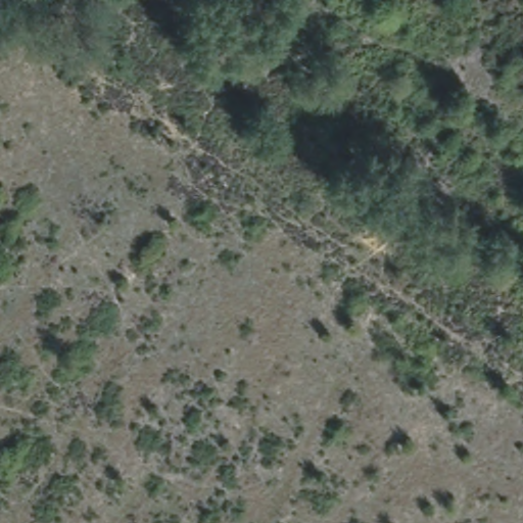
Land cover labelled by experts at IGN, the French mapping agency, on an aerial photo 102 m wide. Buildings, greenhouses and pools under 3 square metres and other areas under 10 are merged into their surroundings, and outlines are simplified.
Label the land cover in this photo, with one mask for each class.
<instances>
[{"label":"herbaceous vegetation","instance_id":"1","mask_svg":"<svg viewBox=\"0 0 523 523\"><path fill-rule=\"evenodd\" d=\"M131 110L135 116L133 121L127 118V112L108 110L96 121L84 112V104L78 90L65 86L49 63L29 61L18 63L12 57L0 59V225L12 223L18 217L20 200L27 194L33 196L37 192V196L43 202L41 212L33 217L31 223L25 227V247L12 251V257L25 255L20 274L12 276L10 284H0V351L8 347L18 353L25 366H35L27 392H4L0 388V417L31 419L33 415H41L39 427L53 443L47 464H43L39 470L20 472L16 482L0 488V523H39L33 517V505L43 496V486L51 474L78 476V488L82 492V498L72 492H65L61 505L51 503V509L59 511L61 523H198L196 505L206 501L215 488L225 492L229 501H245L243 515L231 523H523V413H519V409L509 405L505 398H501L498 392L486 380L464 374L462 370H458L456 364H445L439 355L431 360V364L437 370L435 388H425L419 394H409L400 390V386L392 382L390 360H372L374 341L370 337V327L378 315L374 306L368 308L366 315L358 317L347 329L341 327L335 319V306L341 298L343 286L333 280H321L323 255L333 253L331 247L313 251L304 245H296L292 243V237L288 233H284L282 227L270 229L259 243H253L251 239L243 237L239 217L227 210H219L215 221L210 223V229L219 231L223 237H204L184 219L186 198L182 194L174 196L168 190L170 178H176L186 188H192V176L186 168V155H202L200 143L194 141L188 133H182L168 114L155 112L151 96L143 90L131 96ZM161 237L165 239L163 262L149 274H145V278H139L133 272L131 264L139 262L143 257V251L155 239ZM104 298H108L118 313L116 325L112 327L110 335L96 337L92 372L84 380L74 382V386L69 388L61 384L57 378H53L51 370L55 368L59 355H67L69 351H76L80 347V341L76 339L80 319H86L90 308L98 306ZM106 380L123 388L121 427H110L108 423L100 427L94 425V402L100 400L102 384ZM198 382L210 386L217 392V396L229 398V407L217 405L215 415L221 419V431L231 445L239 447L241 439L247 435L249 429L268 427L272 431L262 439V443H251L247 464H237L235 488L223 484L217 476L219 470L212 466L208 468L202 480H192L184 474L170 472V468L163 462V454L141 451L135 447V435L129 429L131 423L151 427L153 431L157 429V425H163V433L180 435L184 431L186 425L182 421V415L184 409L192 405L194 396H184L178 400L176 392L192 390ZM353 241L366 245L374 255L386 253V243H380L378 237H366L364 233H355ZM27 435L20 431H12L4 439H0V458L6 449H14L20 441H25Z\"/></svg>","mask_w":523,"mask_h":523},{"label":"brushwood","instance_id":"2","mask_svg":"<svg viewBox=\"0 0 523 523\"><path fill-rule=\"evenodd\" d=\"M313 14L306 16L304 27L290 43L284 61L272 67L257 86L225 82L221 90L198 88L204 76H200L196 72V65L186 59L182 35L170 43L165 37L155 33L153 22L147 18L139 2H133L127 8H121L118 4L114 6V16L110 22V33L114 37L112 51L116 63L108 65L104 74L100 69H88V76L96 84H86L78 90L84 104V112L96 121L108 110L127 112V118L133 121L135 116L131 110V96L143 90L151 96L155 112L168 114L182 133H188L194 141L200 143L202 155H186V168L192 176V188H186L176 178H170L168 190L174 196L182 194L186 198L184 219L204 237H223L219 231L210 229V223L215 221L219 210H227L239 217L243 237L251 239L253 243H259L270 229L282 227L284 233H288L292 237V243L296 245H304L313 251L331 247L333 253L323 255L321 280H333L343 286L341 298L335 306V319L341 327L347 329L358 317L366 315L368 308L374 306L378 315L370 327V337L374 341L372 360H390L392 382L400 386V390L409 394H419L425 388H435L437 370L431 364V360L439 355L445 364H456L458 370H462L464 374L486 380L498 392L501 398H505L509 405L519 409V413H523V280L519 278L511 284V288L496 290L476 274L480 268L472 266V255L462 253L447 262H435L415 255L409 249L407 241H398V235L392 229L374 225L370 219H360L351 210L341 208L329 192H325V180L329 178L333 184H341L349 180L351 172L364 178L370 172V161L374 157L382 163L390 159L398 161L409 153V157L421 168L419 178L435 186L439 184L441 192L449 194V198L462 202L468 208L466 223L478 227L480 239H498L503 231H507L509 239L517 247H523V0H306ZM355 233H364L366 237H378L380 243H386V253L374 255L366 245L353 241ZM29 47V43L25 41L4 45L0 49V59L12 57L18 63L29 61L25 49ZM43 202L37 196V192L33 196L27 194L20 200L18 217L12 223L0 225V284H10L12 276L20 274L25 255L12 257V251L25 247V227L31 223L33 217L41 212ZM165 239L161 237L155 239L143 251V257L139 262L131 264L133 272L139 278H145V274H149L163 262ZM118 313L108 298H104L98 306L90 308L86 319H80L76 339L80 341V347L76 351H69L67 355H59L55 368L51 370L53 378H57L61 384L69 388L74 386V382L84 380L92 372L96 337L110 335L112 327L116 325ZM35 366H25L18 353L8 347L0 351V388L4 392H27ZM123 388L106 380L102 384L100 400L94 402V425L100 427L108 423L110 427H121ZM184 396H194L192 405L184 409L182 415V421L186 425L184 431L180 435L163 433V425H157V429L153 431L151 427L131 423L129 429L135 435V447L141 451L163 454V462L170 468V472L184 474L192 480H202L208 468L212 466L219 470L217 476L223 484L235 488L237 464H247L251 443H262V439L272 431L268 427L249 429L247 435L241 439L239 447L231 445L221 431V419L215 415L217 405L229 407V398L217 396V392L210 386L198 382L192 390L176 392L178 400ZM41 415H33L31 419L0 417V439H4L12 431H20L27 435L25 441H20L14 449H6L0 458V488L16 482L20 472L39 470L43 464H47L53 443L39 427ZM65 492H72L82 498V492L78 488V476L51 474L43 486V496L33 505V517L39 523H61L59 511L51 509V503L61 505ZM245 501H229L225 492L215 488L206 501L196 505L198 523H231L243 515Z\"/></svg>","mask_w":523,"mask_h":523},{"label":"coniferous trees","instance_id":"3","mask_svg":"<svg viewBox=\"0 0 523 523\"><path fill-rule=\"evenodd\" d=\"M133 2H139L147 18L153 22L155 33L165 37L170 43L182 35L186 59L196 65V72L200 76H204L198 88L221 90L225 82L257 86L272 67L284 61L290 43L304 27L306 16L313 14L306 0H0V49L4 45L25 41L29 43V47L25 49L29 61L49 63L65 86L78 90L86 84H96L88 76V69H100L104 74L108 65L116 63L112 51L114 37L110 33V22L114 16V6L118 4L121 8H127Z\"/></svg>","mask_w":523,"mask_h":523},{"label":"deciduous trees","instance_id":"4","mask_svg":"<svg viewBox=\"0 0 523 523\"><path fill-rule=\"evenodd\" d=\"M421 168L409 157V153L398 161L390 159L382 163L374 157L370 161V172L364 178L351 172L349 180L341 184H333L329 178L325 180V192H329L341 208L351 210L360 219H370L374 225L392 229L398 235V241H407L409 249L415 255L435 262H447L462 253L472 255V266L480 268L476 274L496 290L511 288V284L519 278L523 280V247H517L509 239L507 231H503L498 239H480L478 227L466 223L468 208L462 202L449 198V194L441 192L439 184L435 186L419 178Z\"/></svg>","mask_w":523,"mask_h":523}]
</instances>
